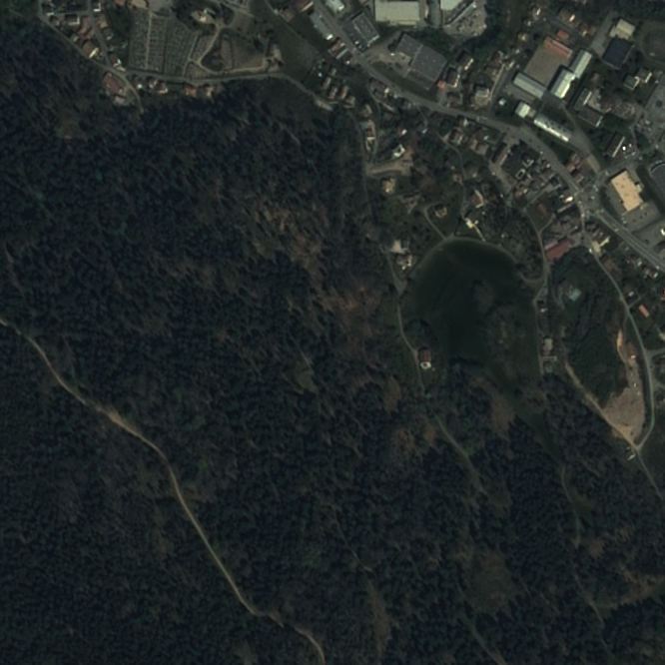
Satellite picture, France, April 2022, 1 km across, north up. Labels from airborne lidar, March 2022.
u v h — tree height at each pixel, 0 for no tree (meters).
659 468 0
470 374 22
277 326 30
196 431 26
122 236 30
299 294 29
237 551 25
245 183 18
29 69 24
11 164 35
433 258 0
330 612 21
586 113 0
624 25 0
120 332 10
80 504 27
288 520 24
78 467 26
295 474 28
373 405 31
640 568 15
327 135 33
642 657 15
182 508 17
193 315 18
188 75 0
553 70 0
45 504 20
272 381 27
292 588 22
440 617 20
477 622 37
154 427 21
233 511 29
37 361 24
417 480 22
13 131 31
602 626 24
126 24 6
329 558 23
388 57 0
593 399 0
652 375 0
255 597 22
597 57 0
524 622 25
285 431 26
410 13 0
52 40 23
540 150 0
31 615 19
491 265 0
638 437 0
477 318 0
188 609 18
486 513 26
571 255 8
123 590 32
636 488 17
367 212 18
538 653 34
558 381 19
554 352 7
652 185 0
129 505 21
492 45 19
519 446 28
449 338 0
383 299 7
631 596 8
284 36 0
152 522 22
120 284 31
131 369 21
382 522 30
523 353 0
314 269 0
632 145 0
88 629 19
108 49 0
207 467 34
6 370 17
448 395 15
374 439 33
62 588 25
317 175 27
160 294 21
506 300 0
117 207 28
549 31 0
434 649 22
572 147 0
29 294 44
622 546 16
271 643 22
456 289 0
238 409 39
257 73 0
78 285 8
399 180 0
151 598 23
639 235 0
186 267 22
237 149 8
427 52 0
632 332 0
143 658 15
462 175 0
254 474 26
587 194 0
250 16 0
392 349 9
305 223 0
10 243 37
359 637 18
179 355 7
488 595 0
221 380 24
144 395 34
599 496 19
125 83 0
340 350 34
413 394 6
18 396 12
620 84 0
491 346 15
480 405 19
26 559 30
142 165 31
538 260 14
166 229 24
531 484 31
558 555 34
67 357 32
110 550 16
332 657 14
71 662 13
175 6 0
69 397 17
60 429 12
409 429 18
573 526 27
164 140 19
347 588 20
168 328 6
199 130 35
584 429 20
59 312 31
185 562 27
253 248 22
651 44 0
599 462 21
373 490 18
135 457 25
